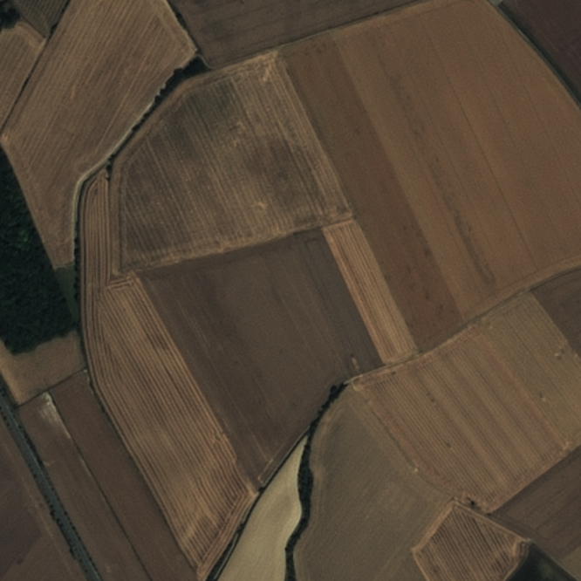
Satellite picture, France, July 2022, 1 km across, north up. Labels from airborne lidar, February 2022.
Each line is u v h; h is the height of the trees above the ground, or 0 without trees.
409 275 0
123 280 0
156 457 0
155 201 0
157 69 0
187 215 0
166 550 0
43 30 0
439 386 0
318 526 0
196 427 0
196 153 0
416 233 0
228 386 0
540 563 0
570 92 0
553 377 0
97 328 0
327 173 0
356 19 0
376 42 0
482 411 0
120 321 0
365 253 0
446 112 0
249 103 0
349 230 0
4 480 0
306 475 8
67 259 0
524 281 0
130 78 0
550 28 0
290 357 0
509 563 0
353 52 0
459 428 0
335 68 0
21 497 0
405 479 0
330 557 0
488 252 0
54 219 0
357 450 0
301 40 0
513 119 0
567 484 0
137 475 0
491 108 0
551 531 0
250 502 0
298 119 0
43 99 0
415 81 0
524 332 0
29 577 0
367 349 0
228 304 0
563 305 0
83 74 0
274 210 0
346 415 0
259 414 0
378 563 0
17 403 0
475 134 0
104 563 0
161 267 0
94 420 0
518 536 0
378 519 0
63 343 0
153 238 0
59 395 0
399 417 0
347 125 0
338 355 0
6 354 0
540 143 0
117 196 0
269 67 0
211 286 0
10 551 0
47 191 0
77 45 0
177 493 0
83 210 0
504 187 0
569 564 0
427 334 0
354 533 0
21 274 16
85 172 0
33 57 0
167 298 0
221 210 0
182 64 0
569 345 0
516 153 0
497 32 0
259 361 0
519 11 0
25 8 0
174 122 0
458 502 0
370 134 0
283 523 0
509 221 0
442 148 0
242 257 0
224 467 0
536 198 0
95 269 0
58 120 0
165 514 0
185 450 0
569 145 0
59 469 0
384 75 0
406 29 0
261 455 0
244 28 0
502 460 0
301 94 0
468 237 0
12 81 0
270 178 0
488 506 0
